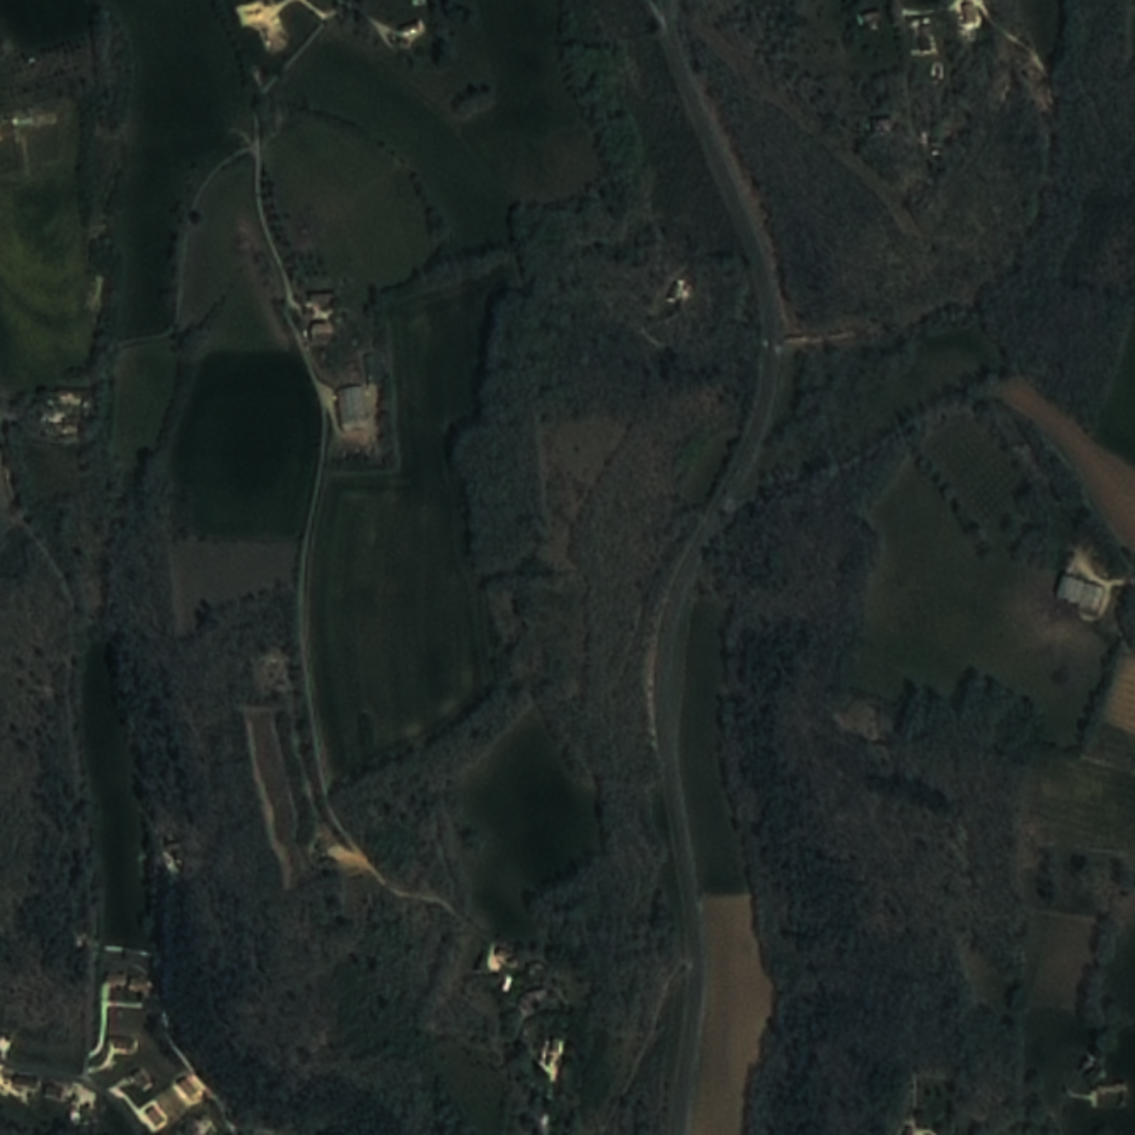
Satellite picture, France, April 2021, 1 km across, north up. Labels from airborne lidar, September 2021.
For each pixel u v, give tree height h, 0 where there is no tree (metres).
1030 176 20
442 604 0
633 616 9
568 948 16
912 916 12
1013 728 17
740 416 16
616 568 10
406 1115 24
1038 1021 0
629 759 14
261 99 8
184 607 0
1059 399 21
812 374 16
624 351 15
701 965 0
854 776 11
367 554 0
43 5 0
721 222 8
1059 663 0
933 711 22
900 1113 18
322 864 0
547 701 18
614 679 12
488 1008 0
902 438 13
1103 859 0
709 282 20
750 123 17
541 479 14
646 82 7
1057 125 20
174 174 0
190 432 0
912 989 21
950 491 12
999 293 18
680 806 0
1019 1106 15
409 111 0
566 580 10
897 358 16
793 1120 10
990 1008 0
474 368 0
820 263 15
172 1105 0
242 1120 23
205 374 0
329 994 10
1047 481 11
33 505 10
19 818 8
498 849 0
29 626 11
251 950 15
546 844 0
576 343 13
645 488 13
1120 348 17
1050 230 21
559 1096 9
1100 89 18
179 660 14
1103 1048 16
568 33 8
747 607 18
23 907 8
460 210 0
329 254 0
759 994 0
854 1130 13
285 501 0
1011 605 0
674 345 21
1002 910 18
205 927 17
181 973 27
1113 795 0
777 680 12
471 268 20
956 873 14
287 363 0
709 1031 0
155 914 8
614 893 21
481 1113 0
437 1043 8
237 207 0
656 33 19
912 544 0
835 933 11
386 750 0
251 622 6
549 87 0
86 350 0
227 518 0
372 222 0
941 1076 16
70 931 10
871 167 15
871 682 0
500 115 0
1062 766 0
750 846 12
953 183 15
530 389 27
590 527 17
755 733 14
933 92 11
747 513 8
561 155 0
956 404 14
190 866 12
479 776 0
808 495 15
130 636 19
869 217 16
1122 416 0
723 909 0
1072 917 0
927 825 12
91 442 16
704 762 0
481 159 0
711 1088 0
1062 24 6
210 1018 24
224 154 0
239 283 0
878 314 20
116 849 0
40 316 0
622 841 22
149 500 16
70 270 0
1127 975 0
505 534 25
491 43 0
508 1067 12
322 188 0
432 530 0
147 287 0
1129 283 7
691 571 0
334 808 17
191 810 6
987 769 16
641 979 15
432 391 0
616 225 13
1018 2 16
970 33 0
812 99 10
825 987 15
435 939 8
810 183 16
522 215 11
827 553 15
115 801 0
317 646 0
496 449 23
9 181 0
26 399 11
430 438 0
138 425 0
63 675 15
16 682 9
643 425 11
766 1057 14
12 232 0
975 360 0
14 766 11
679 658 0
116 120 8
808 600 13
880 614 0
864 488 17
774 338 0
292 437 0
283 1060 14
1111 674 11
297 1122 25
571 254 12
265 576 0
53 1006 14
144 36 0
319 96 0
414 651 0
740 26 9
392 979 10
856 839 12
